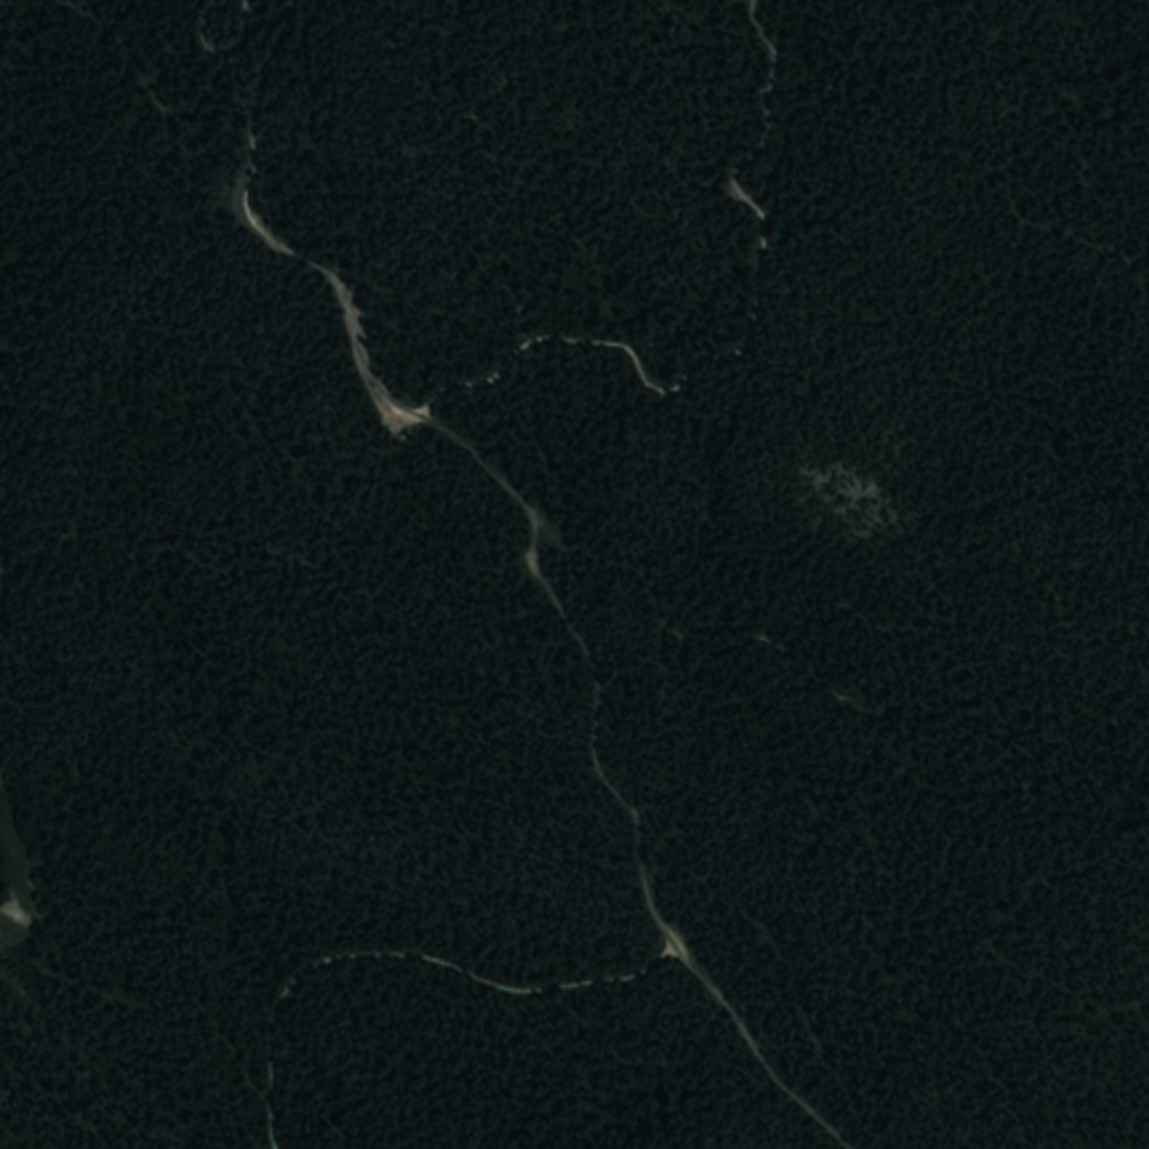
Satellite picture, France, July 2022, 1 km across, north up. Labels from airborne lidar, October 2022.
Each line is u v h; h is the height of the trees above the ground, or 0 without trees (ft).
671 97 71
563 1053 90
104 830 54
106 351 59
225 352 53
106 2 51
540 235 64
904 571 25
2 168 52
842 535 27
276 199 64
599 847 78
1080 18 23
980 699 41
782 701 68
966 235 42
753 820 52
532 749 32
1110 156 46
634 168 22
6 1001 41
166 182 64
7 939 0
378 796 36
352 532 28
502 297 44
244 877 72
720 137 50
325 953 42
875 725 84
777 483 33
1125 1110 78
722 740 33
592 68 37
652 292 65
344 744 49
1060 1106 28
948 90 60
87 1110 93
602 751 57
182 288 54
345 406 57
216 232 56
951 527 54
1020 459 70
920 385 62
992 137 47
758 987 60
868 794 29
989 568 69
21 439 64
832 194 51
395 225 64
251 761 69
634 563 66
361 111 71
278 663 68
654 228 40
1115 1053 65
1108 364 87
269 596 55
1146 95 63
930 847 47
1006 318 73
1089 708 78
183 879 23
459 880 61
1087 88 68
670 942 0
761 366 72
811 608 57
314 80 31
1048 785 86
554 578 101
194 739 89
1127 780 63
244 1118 29
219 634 49
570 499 64
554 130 30
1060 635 74
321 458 68
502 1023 91
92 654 47
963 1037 105
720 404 67
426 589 43
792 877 75
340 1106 41
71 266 75
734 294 95
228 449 56
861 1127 91
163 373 63
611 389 56
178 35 58
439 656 33
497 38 55
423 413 0
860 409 48
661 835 22
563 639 19
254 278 61
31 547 52
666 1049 104
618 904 81
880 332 74
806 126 62
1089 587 76
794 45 34
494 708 73
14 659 30
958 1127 79
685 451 51
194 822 34
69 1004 52
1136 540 79
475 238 56
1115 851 67
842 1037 43
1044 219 37
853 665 40
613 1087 87
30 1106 91
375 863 70
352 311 0
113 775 66
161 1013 75
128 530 45
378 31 58
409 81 47
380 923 48
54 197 44
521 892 60
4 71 45
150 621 29
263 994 47
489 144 72
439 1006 87
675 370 68
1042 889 56
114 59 85
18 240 72
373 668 67
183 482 48
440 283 52
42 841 29
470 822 82
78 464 52
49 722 71
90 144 54
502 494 41
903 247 49
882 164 42
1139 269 40
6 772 25
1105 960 60
